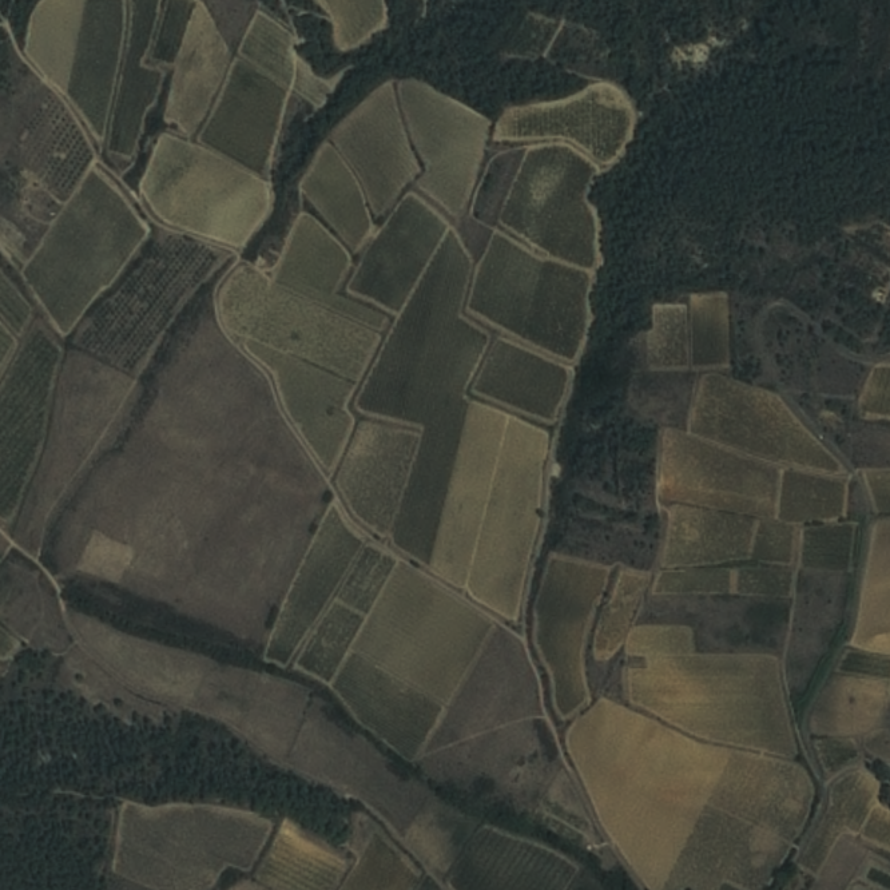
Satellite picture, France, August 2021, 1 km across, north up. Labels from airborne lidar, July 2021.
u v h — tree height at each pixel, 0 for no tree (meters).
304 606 0
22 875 16
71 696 8
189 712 6
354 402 0
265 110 0
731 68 15
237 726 0
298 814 15
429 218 0
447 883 0
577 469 11
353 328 0
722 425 0
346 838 11
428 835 0
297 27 8
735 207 8
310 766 0
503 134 0
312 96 0
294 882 0
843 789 0
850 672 0
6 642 0
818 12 13
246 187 0
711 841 0
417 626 0
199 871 0
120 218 0
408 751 0
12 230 0
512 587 0
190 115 0
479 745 0
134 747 15
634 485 6
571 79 15
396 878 0
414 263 0
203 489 0
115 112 0
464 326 0
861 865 0
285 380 0
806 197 14
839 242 7
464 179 0
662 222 7
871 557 0
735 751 0
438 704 0
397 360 0
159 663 0
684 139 11
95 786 10
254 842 0
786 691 0
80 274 0
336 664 0
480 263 0
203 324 0
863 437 0
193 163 0
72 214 0
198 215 0
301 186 0
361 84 14
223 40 0
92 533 0
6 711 8
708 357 0
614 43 14
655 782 0
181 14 0
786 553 0
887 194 12
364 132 0
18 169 0
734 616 0
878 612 0
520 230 0
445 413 0
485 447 0
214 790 13
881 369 0
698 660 0
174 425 0
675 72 10
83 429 0
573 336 0
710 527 0
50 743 10
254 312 0
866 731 0
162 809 0
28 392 0
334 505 0
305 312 0
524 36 5
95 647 0
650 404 0
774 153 16
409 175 0
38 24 0
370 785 0
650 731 0
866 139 12
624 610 0
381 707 0
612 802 0
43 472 0
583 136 0
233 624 0
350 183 0
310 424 0
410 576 0
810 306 9
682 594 0
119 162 0
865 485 0
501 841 0
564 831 0
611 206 17
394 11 15
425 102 0
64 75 0
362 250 0
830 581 0
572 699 0
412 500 0
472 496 0
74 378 0
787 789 0
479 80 9
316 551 0
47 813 10
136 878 0
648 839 0
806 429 0
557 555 0
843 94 15
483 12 13
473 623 0
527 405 0
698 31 9
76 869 14
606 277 13
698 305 0
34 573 0
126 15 0
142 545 0
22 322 0
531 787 0
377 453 0
